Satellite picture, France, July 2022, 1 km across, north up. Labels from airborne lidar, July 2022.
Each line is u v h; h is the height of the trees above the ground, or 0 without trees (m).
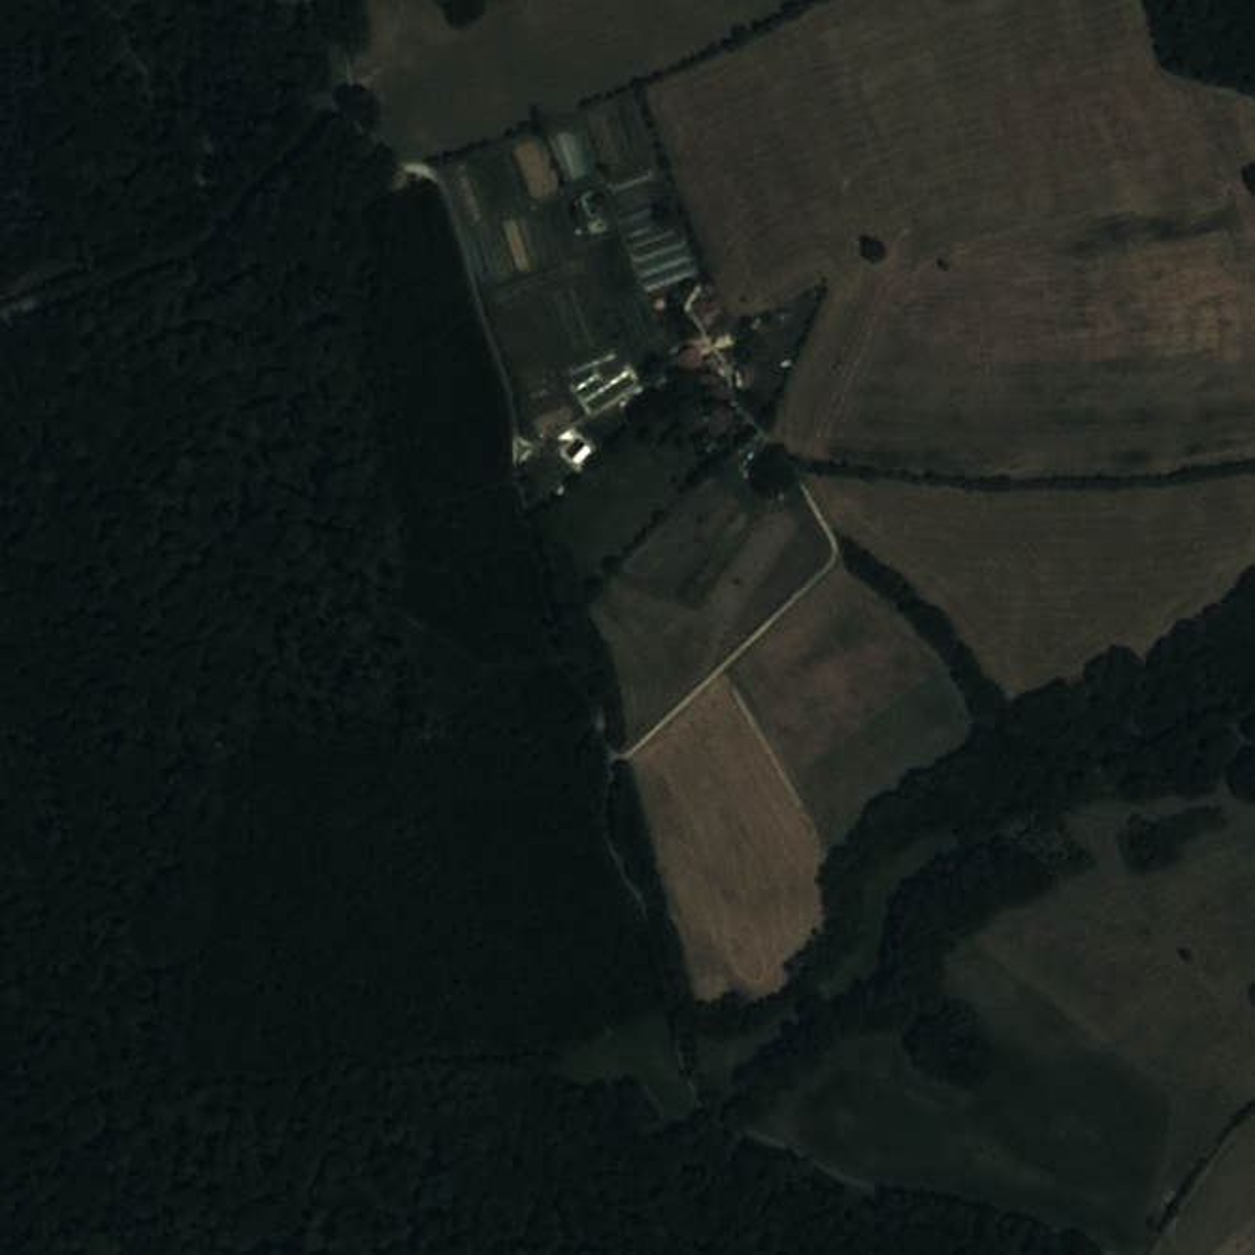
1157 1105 0
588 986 15
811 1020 17
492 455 5
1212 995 0
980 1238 29
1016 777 18
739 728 0
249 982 17
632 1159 23
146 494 33
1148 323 0
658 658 0
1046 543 0
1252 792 18
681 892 0
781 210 0
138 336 27
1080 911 0
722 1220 26
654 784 0
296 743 21
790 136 0
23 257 26
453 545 5
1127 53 0
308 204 32
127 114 30
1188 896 0
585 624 25
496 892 15
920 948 23
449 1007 11
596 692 26
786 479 23
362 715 26
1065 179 0
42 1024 28
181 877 28
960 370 0
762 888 0
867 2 0
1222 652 20
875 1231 28
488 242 0
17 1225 28
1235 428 0
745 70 0
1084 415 0
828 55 0
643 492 0
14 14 26
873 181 0
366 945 11
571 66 0
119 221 28
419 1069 27
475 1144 31
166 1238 21
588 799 12
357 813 12
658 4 0
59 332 26
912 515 0
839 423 0
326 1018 16
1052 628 0
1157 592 0
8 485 23
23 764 26
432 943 12
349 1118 34
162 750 28
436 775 14
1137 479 7
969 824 20
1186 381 0
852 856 20
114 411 35
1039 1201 0
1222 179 0
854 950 23
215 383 30
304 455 31
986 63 0
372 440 12
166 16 28
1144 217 0
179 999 30
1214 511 0
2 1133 25
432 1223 29
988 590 0
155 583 32
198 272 14
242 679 32
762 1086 16
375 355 8
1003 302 0
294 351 33
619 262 0
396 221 7
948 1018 10
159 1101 28
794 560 0
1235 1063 0
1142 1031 0
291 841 14
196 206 26
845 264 0
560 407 0
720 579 0
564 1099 23
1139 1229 0
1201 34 24
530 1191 28
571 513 0
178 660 24
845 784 0
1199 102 0
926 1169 0
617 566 14
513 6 0
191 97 26
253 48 30
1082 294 0
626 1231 30
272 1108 26
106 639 27
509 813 15
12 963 26
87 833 28
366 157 21
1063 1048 0
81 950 28
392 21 0
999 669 0
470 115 0
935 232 0
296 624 24
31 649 25
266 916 12
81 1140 26
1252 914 0
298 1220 29
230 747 32
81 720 26
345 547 29
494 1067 25
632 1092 23
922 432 0
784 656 0
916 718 0
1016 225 0
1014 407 0
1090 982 0
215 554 27
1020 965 0
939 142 0
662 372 12
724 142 0
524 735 16
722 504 0
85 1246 25
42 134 26
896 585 21
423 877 10
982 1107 0
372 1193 29
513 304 0
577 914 14
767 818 0
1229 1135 6
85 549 26
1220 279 0
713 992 0
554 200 0
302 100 26
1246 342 0
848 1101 0
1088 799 7
